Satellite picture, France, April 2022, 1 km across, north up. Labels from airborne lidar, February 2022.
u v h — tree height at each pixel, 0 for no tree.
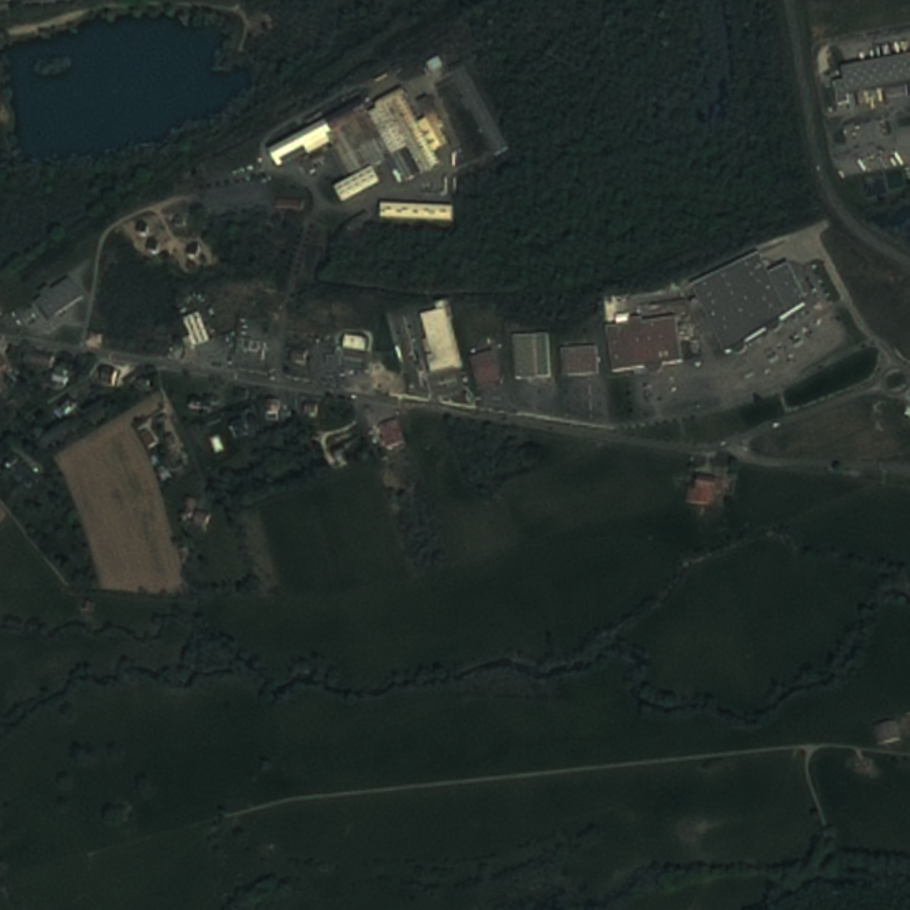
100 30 0
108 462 0
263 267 15
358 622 0
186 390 0
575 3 18
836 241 0
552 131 13
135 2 19
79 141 0
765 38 19
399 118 0
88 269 0
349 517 0
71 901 0
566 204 24
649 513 0
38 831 0
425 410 0
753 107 12
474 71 0
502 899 0
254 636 0
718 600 0
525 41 17
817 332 0
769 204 16
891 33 0
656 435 0
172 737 0
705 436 0
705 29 6
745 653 0
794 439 0
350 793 0
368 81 0
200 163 0
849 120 0
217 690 0
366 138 0
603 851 0
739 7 15
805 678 13
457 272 16
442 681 12
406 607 0
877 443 0
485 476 13
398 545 0
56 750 0
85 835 0
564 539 0
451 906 0
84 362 8
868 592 0
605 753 0
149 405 0
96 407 13
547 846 0
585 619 0
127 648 0
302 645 0
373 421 0
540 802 0
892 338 0
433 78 0
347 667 0
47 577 0
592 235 20
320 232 0
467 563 0
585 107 13
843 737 0
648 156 20
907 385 0
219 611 0
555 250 20
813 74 0
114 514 0
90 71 0
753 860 0
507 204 24
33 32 0
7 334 0
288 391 0
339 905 0
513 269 18
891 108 0
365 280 7
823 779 0
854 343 0
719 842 0
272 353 0
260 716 0
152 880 0
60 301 0
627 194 20
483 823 0
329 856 0
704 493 0
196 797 0
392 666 0
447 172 0
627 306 0
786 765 0
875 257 0
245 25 0
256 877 0
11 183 13
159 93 0
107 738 0
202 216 16
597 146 15
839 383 0
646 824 0
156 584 0
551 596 0
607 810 0
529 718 0
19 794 0
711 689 0
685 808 0
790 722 0
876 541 0
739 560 0
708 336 0
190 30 0
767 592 0
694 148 17
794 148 19
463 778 0
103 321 0
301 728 0
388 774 0
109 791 0
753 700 0
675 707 17
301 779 0
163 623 16
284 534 0
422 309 0
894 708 0
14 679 0
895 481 0
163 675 7
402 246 15
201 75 0
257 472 16
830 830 8
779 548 0
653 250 18
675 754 0
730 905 0
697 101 12
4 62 13
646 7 13
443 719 0
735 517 0
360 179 0
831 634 0
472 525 0
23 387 14
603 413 0
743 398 0
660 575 0
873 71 0
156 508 0
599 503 0
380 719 0
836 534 0
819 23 0
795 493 0
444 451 0
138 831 0
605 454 0
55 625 0
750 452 0
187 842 0
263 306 0
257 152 0
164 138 0
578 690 0
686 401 0
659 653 0
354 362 0
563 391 0
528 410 0
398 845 0
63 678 0
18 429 0
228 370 0
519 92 15
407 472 0
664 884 20
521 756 0
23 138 0
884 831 0
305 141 0
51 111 0
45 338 0
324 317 0
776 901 16
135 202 10
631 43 7
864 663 13
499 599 0
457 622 0
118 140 0
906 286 0
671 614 0
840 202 0
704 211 16
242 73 0
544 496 0
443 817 0
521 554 0
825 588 0
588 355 0
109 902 0
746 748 0
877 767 0
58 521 0
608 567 0
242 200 0
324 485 0
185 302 10
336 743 0
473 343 0
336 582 0
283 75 12
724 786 0
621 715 0
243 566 0
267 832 0
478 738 0
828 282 0
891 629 0
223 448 0
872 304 0
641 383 0
